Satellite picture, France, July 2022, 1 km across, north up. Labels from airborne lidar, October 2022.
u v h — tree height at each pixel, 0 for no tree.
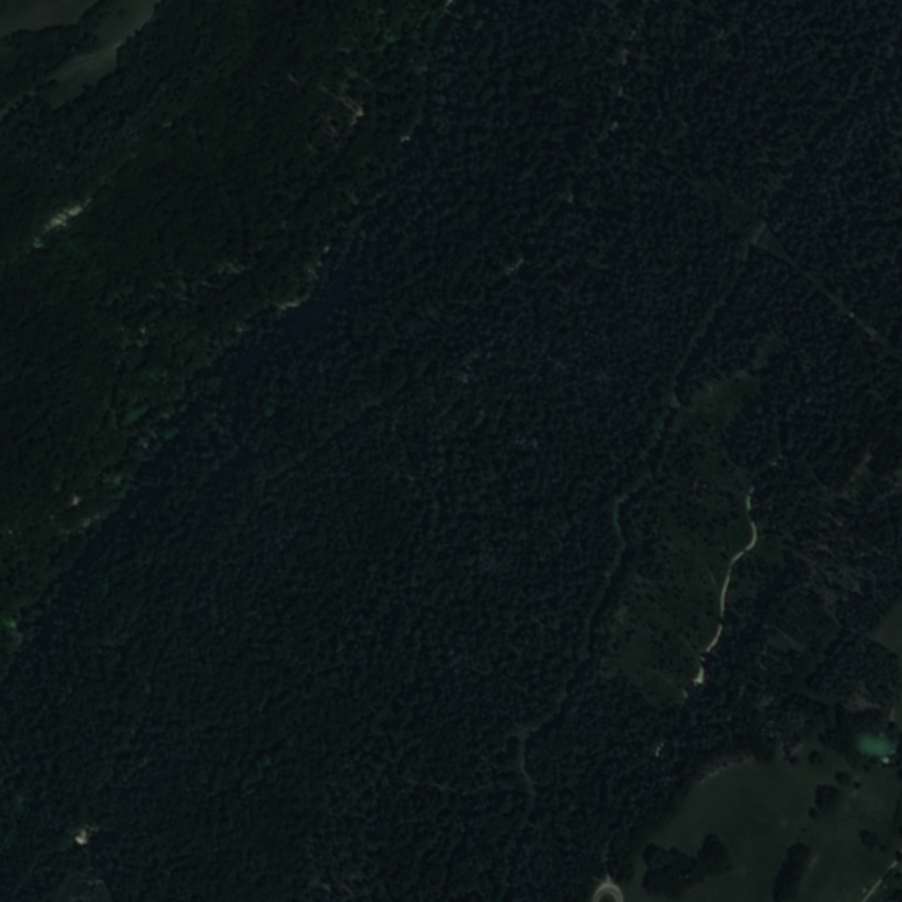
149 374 28
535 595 31
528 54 33
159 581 20
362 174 34
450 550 28
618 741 13
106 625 31
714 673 20
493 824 28
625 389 24
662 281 24
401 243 42
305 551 22
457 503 36
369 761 14
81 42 9
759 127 24
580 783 11
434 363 11
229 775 26
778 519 12
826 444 8
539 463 22
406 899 23
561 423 23
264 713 17
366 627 29
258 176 32
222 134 24
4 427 24
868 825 0
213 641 23
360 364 30
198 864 24
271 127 37
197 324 26
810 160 7
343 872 24
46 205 13
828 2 28
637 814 27
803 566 31
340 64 27
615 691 14
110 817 20
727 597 0
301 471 18
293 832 20
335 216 27
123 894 22
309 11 31
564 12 13
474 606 19
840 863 0
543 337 21
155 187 26
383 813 18
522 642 23
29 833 19
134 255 28
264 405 34
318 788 19
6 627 18
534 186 22
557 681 27
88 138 14
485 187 28
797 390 8
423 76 14
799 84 31
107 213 20
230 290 32
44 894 25
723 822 0
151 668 17
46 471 22
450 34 29
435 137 25
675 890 21
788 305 22
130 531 22
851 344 27
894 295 23
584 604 17
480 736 27
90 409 26
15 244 24
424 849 22
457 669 30
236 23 20
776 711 12
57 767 18
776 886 0
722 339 22
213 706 17
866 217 30
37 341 36
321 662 28
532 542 23
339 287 21
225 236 24
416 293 32
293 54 21
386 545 22
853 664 30
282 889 23
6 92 16
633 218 34
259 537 18
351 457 17
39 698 22
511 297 22
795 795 0
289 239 27
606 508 29
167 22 9
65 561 29
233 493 21
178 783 20
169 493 26
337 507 23
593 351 24
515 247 27
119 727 24
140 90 8
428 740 30
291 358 22
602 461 22
